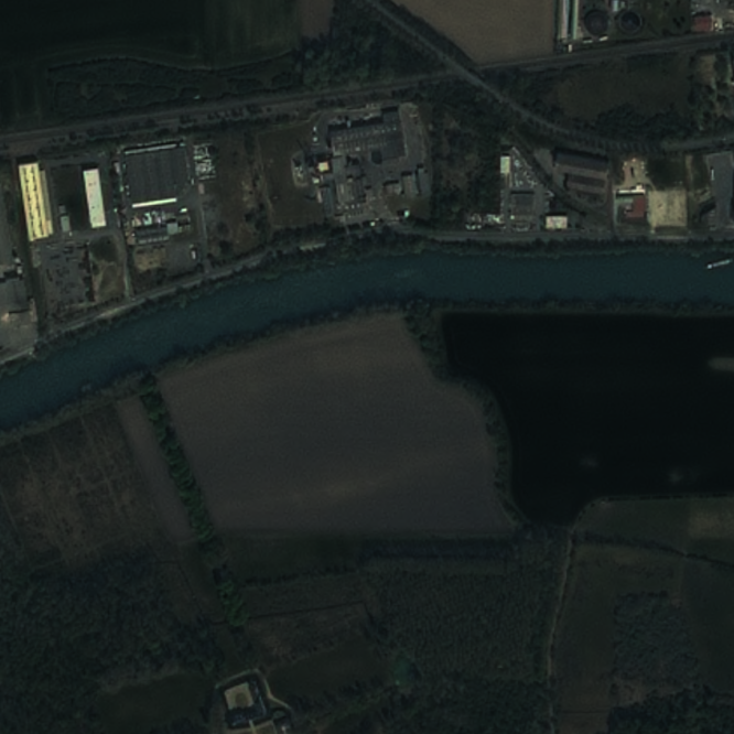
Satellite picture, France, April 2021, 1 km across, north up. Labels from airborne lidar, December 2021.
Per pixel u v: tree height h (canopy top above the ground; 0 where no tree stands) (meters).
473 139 12
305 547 0
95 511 0
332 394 0
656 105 0
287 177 0
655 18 0
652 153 18
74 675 17
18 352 0
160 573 18
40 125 0
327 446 0
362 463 0
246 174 0
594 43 0
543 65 0
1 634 12
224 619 0
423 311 22
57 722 22
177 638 20
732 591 0
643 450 0
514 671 21
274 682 0
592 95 0
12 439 12
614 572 0
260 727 0
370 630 10
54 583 22
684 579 0
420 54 21
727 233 0
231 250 16
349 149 0
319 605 0
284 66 0
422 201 0
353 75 24
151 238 0
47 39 0
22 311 0
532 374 0
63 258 0
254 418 0
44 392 0
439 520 0
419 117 0
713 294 0
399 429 0
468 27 0
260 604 0
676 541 0
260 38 0
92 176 0
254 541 0
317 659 0
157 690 0
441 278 0
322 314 11
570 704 0
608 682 0
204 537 21
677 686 12
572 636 0
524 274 0
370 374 0
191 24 0
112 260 0
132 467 0
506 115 11
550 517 0
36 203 0
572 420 0
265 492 0
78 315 6
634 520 0
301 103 0
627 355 0
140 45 0
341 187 0
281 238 16
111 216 0
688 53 0
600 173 0
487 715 10
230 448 0
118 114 6
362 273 0
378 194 0
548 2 0
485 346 0
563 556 30
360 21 14
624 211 0
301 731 27
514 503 0
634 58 6
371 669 0
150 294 0
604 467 0
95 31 0
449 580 34
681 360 0
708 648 0
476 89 7
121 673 34
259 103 0
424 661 26
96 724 11
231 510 0
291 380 0
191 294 9
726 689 0
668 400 0
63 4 0
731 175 0
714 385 0
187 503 23
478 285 0
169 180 0
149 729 0
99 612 31
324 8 0
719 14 0
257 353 0
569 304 9
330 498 0
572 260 0
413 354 0
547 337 0
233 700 0
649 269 0
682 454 0
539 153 0
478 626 32
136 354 0
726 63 19
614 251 8
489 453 0
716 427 0
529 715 17
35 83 0
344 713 17
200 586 0
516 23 0
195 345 0
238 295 0
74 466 0
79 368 0
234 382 0
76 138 11
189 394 0
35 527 6
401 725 23
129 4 0
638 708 7
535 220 0
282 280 0
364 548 0
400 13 14
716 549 0
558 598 15
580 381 0
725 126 13
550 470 0
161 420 21
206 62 0
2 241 0
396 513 0
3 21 0
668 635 6
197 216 0
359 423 0
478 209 6
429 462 0
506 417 0
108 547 0
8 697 19
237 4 0
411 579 32
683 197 0
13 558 12
